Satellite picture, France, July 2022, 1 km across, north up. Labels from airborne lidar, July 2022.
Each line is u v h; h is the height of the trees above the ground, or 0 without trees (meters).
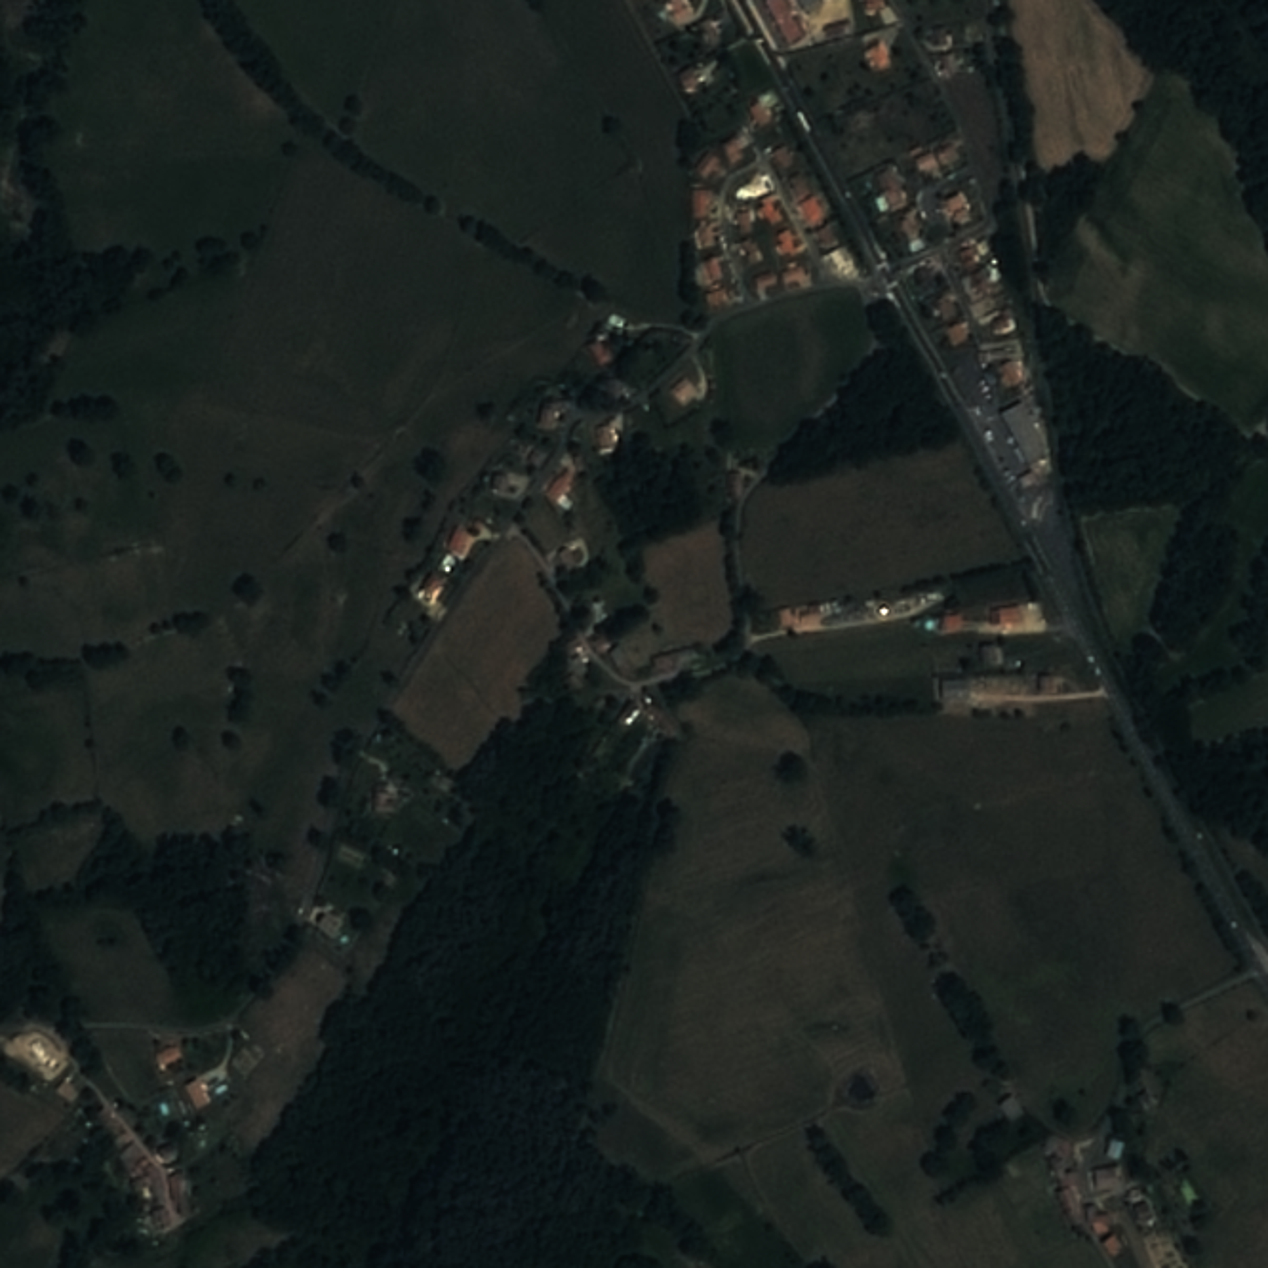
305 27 0
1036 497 0
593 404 20
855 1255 0
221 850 32
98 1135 8
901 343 17
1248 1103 0
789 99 0
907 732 0
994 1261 0
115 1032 0
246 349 0
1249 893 14
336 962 0
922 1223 0
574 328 0
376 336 0
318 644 0
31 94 21
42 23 18
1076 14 0
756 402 0
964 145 0
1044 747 0
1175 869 0
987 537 0
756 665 11
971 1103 11
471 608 0
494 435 0
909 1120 0
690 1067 0
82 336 16
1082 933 0
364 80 0
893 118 0
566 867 0
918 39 8
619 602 0
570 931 19
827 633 0
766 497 0
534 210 0
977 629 0
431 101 0
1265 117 21
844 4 0
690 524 13
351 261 0
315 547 0
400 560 0
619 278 0
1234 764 17
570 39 0
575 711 13
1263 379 0
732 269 0
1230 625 0
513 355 0
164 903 21
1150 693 20
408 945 15
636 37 0
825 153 0
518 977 16
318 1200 18
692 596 0
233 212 0
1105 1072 0
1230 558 26
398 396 0
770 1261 0
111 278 15
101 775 0
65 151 0
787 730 0
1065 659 0
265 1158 18
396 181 13
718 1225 0
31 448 0
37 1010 16
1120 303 0
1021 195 11
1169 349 0
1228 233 0
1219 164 0
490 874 14
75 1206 30
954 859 0
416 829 0
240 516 0
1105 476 17
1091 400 9
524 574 0
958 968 0
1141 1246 0
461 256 0
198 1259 0
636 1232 7
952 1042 0
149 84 0
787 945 0
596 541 0
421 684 0
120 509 0
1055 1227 0
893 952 0
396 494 0
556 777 9
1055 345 16
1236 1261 0
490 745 8
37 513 20
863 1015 0
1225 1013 0
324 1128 20
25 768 0
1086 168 16
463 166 0
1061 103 0
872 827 0
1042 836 0
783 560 0
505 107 0
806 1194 0
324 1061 11
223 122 0
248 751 0
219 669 0
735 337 0
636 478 12
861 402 18
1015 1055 0
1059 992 0
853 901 0
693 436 0
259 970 0
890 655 0
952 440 14
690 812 0
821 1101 0
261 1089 0
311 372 0
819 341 0
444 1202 24
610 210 0
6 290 7
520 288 0
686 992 0
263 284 0
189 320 0
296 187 0
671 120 0
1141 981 0
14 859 8
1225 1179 0
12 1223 0
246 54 24
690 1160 0
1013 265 14
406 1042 22
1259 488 0
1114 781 0
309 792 0
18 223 9
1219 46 16
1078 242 0
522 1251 21
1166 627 28
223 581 0
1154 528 0
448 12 0
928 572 0
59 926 0
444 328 0
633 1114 0
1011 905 0
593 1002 10
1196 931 0
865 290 0
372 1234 16
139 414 0
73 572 0
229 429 0
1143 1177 20
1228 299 0
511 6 0
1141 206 0
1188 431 13
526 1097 15
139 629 0
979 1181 11
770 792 0
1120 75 0
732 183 0
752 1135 0
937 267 0
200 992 0
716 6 0
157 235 0
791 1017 0
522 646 0
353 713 0
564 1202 20
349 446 0
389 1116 30
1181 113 0
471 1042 8
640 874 21
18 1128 0
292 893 0
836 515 0
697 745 0
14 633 0
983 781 0
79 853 0
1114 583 0
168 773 0
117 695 0
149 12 0
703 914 0
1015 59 14
